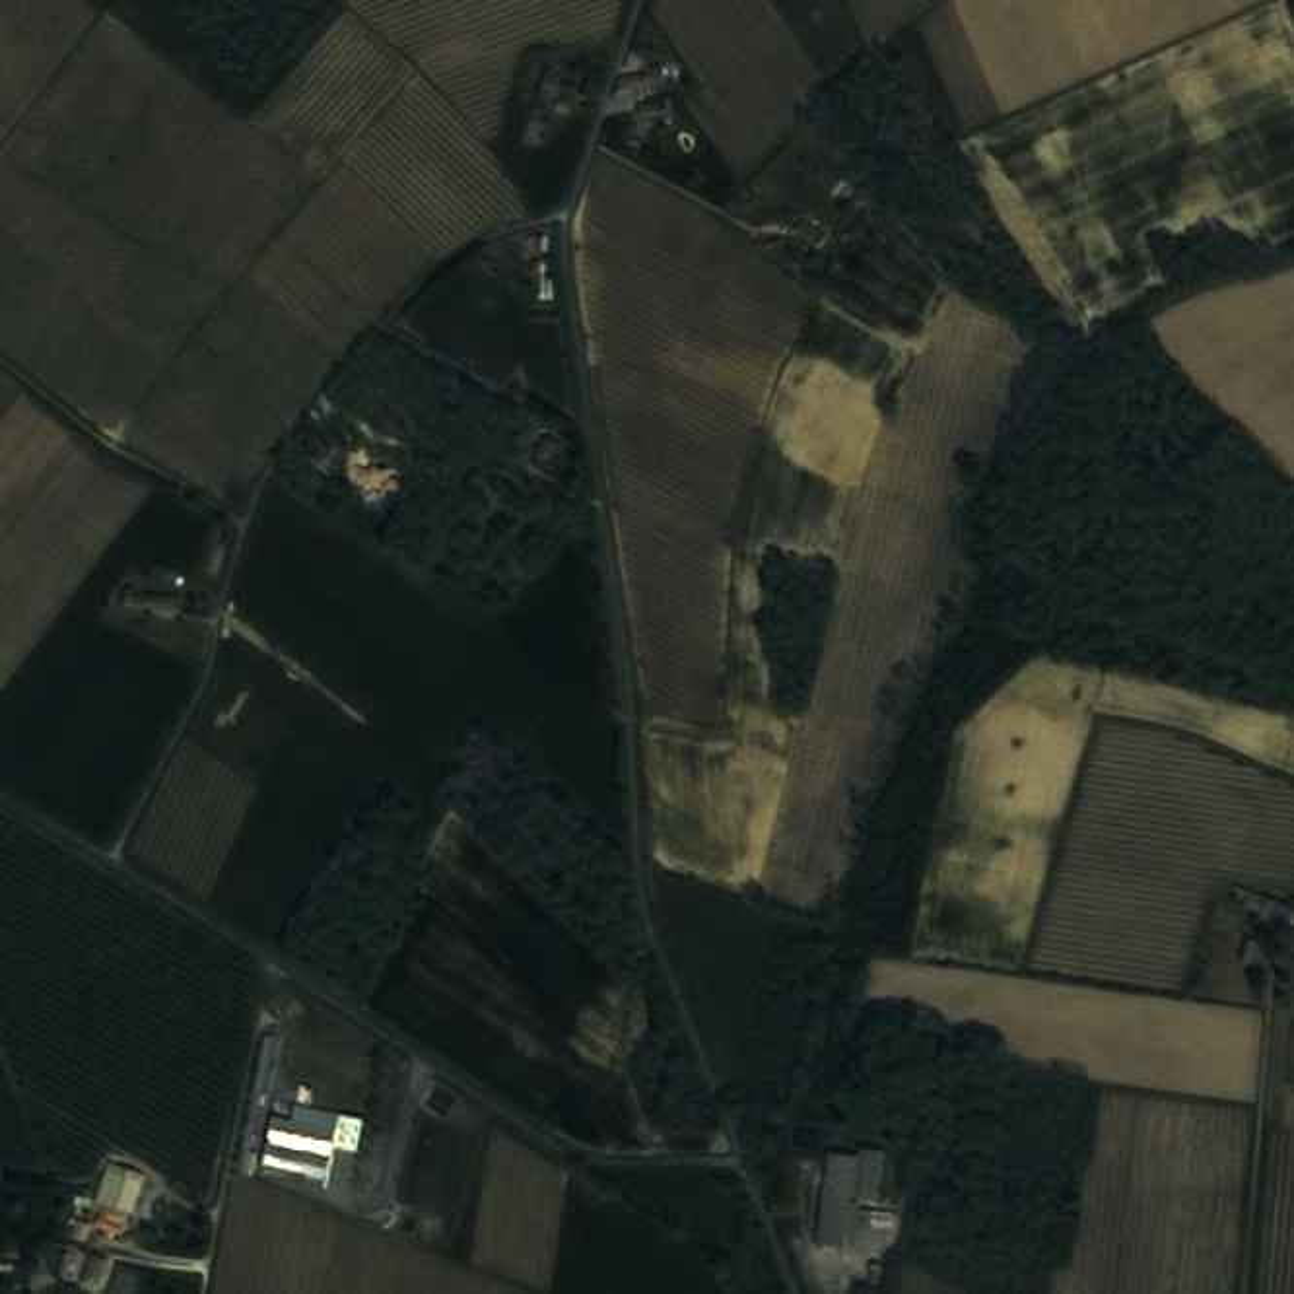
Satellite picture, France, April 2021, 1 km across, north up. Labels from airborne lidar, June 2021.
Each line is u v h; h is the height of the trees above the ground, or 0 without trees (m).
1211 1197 0
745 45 0
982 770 0
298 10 21
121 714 0
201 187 0
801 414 0
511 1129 0
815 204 0
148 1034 5
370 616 0
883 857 10
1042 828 0
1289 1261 0
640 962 16
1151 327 13
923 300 0
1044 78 0
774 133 0
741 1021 0
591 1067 0
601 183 0
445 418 18
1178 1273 0
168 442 0
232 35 16
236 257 0
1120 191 0
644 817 0
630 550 0
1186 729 0
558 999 0
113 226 0
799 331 0
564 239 0
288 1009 0
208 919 0
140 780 0
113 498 0
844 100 22
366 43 0
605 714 0
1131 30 0
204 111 0
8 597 0
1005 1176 22
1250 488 19
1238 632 22
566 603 0
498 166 0
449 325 0
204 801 0
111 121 0
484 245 6
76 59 0
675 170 0
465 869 0
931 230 19
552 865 17
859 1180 0
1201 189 0
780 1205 0
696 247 0
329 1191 0
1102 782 0
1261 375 0
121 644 0
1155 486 23
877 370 0
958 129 0
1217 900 0
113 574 0
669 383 0
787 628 24
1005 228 9
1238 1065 0
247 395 0
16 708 0
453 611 0
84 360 0
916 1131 19
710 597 0
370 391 16
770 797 0
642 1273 0
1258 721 0
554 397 0
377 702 0
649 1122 9
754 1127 8
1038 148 0
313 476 16
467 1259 0
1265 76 0
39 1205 7
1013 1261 10
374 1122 9
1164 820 0
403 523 15
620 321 0
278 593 0
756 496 0
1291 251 9
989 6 0
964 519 23
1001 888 0
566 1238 0
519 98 0
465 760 12
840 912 24
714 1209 0
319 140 0
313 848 0
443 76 0
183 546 0
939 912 0
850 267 0
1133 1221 0
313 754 0
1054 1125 18
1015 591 9
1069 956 0
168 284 0
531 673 0
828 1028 21
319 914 20
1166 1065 0
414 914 14
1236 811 0
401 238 0
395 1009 0
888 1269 6
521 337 0
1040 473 28
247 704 0
